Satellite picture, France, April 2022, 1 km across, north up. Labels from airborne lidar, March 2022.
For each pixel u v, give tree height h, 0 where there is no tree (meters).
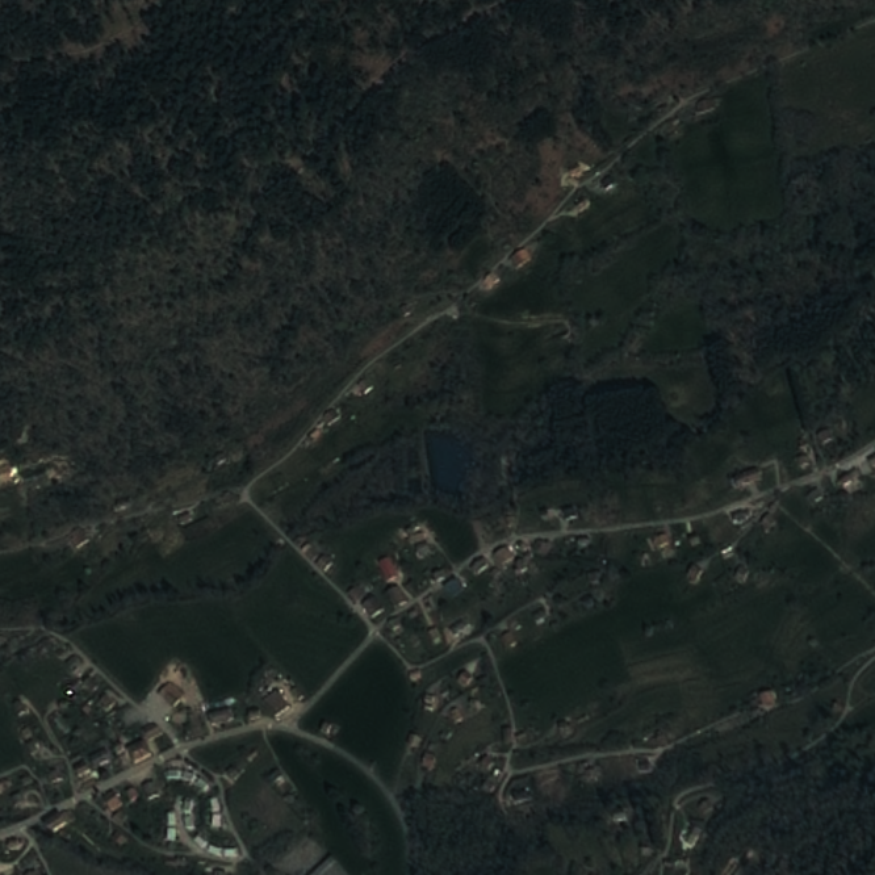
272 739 0
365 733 0
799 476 0
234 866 0
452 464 0
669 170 18
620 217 0
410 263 8
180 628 0
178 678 0
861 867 14
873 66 0
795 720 0
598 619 0
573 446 20
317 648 0
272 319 21
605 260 23
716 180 0
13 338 24
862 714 0
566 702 0
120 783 0
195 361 18
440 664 0
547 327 0
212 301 18
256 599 0
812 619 0
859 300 27
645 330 13
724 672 0
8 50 20
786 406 0
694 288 28
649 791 7
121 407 19
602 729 0
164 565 0
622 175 8
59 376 15
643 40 14
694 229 19
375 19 11
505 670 0
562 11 25
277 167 18
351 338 12
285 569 0
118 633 0
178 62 31
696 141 0
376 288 16
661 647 0
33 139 11
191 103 26
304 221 26
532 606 0
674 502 0
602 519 0
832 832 20
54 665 0
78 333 30
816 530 0
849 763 7
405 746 0
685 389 0
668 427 30
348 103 9
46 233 26
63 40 21
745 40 8
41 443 15
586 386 24
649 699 0
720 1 19
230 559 0
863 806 19
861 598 0
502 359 0
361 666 0
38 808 0
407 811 16
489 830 14
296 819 0
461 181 16
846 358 25
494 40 23
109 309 25
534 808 0
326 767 0
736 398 26
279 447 7
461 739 0
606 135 18
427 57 26
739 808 7
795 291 10
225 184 18
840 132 0
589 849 0
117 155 24
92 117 10
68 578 0
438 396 11
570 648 0
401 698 0
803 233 11
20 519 0
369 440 0
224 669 0
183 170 31
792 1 19
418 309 0
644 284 0
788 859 11
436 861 21
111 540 0
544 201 0
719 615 0
